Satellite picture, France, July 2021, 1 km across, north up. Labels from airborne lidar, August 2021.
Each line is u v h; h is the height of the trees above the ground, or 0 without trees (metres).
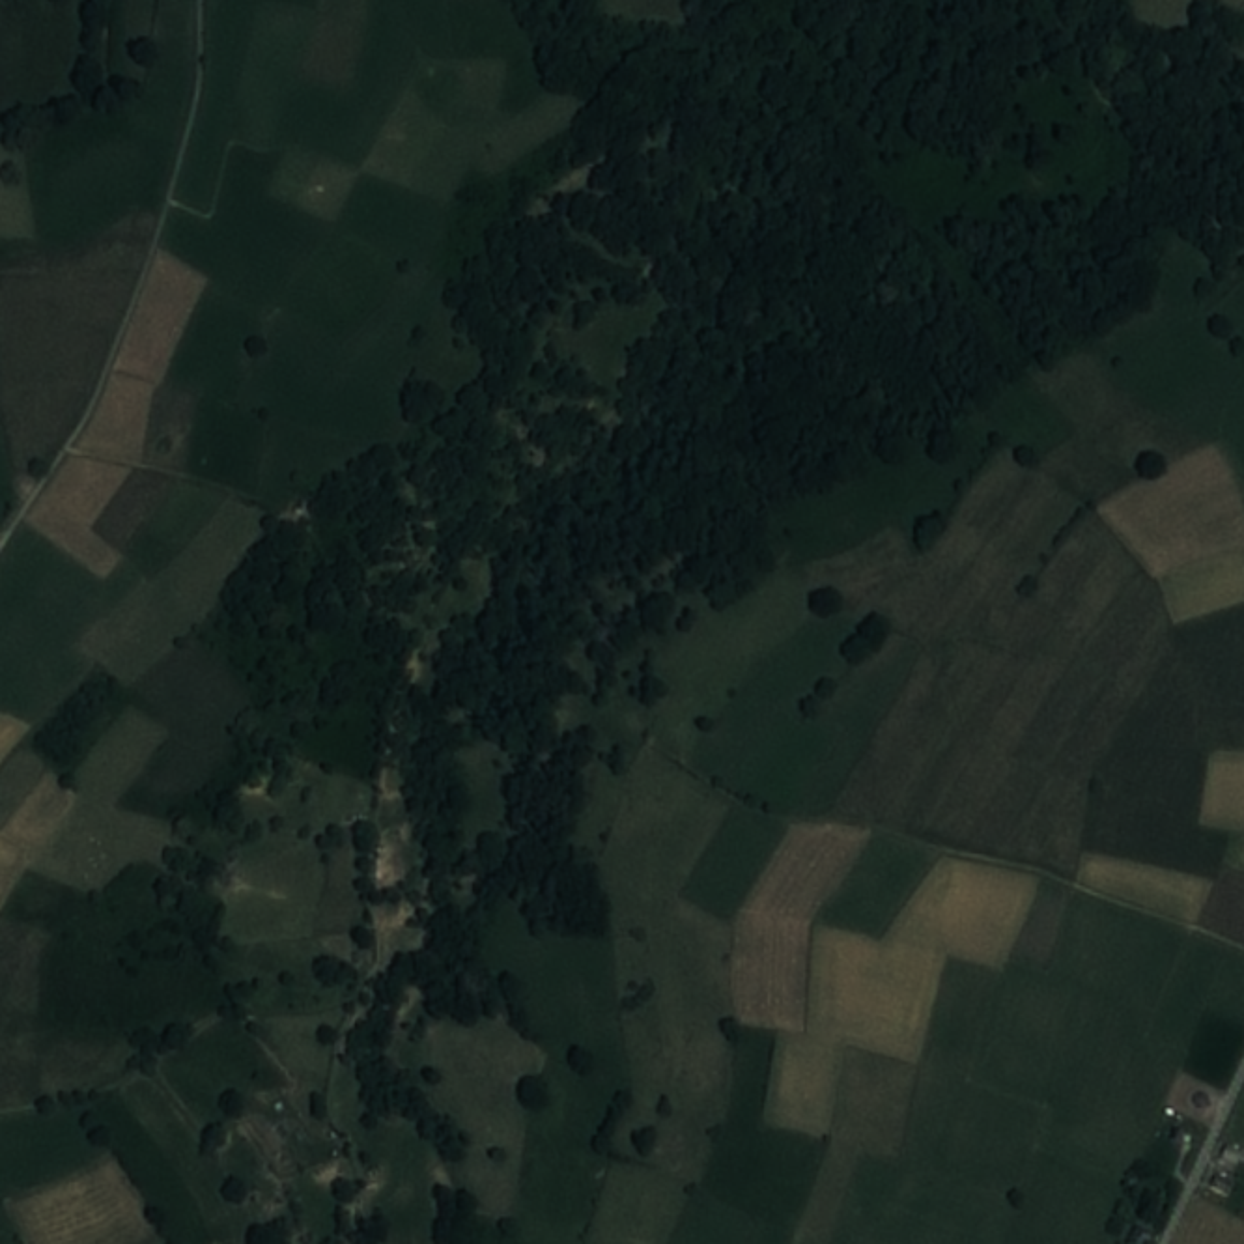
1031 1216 0
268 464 0
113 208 0
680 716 0
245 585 15
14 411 0
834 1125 0
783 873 0
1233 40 24
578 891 14
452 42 0
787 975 0
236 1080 0
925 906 0
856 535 0
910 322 26
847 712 0
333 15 0
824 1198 0
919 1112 0
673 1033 0
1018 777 0
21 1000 0
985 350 23
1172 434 0
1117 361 10
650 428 19
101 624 0
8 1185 0
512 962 0
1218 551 0
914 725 0
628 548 27
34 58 0
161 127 0
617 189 24
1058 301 28
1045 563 9
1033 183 0
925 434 11
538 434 13
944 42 11
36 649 0
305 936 0
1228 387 0
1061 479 0
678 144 28
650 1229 0
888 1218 0
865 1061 0
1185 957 0
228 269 0
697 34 24
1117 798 0
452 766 13
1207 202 21
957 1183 0
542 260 19
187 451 0
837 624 0
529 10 9
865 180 19
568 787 14
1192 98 23
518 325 13
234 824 20
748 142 26
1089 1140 0
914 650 0
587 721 0
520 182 8
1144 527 0
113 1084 0
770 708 0
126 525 0
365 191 0
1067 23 16
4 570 0
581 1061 19
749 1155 0
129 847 0
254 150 0
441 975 19
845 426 21
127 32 0
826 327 23
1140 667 0
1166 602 0
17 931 0
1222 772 0
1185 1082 0
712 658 0
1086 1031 0
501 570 18
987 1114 0
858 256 27
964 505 0
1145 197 10
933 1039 0
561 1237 0
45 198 0
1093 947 0
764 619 0
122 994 0
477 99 0
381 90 0
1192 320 0
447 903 20
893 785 0
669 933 0
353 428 0
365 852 21
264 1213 0
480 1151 0
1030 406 0
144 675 0
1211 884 0
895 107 19
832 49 20
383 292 0
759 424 25
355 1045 19
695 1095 0
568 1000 0
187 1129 0
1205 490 0
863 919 0
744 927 0
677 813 0
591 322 22
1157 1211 19
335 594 13
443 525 14
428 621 9
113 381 0
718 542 25
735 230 28
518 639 17
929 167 0
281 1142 0
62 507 0
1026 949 0
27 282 0
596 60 17
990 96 21
